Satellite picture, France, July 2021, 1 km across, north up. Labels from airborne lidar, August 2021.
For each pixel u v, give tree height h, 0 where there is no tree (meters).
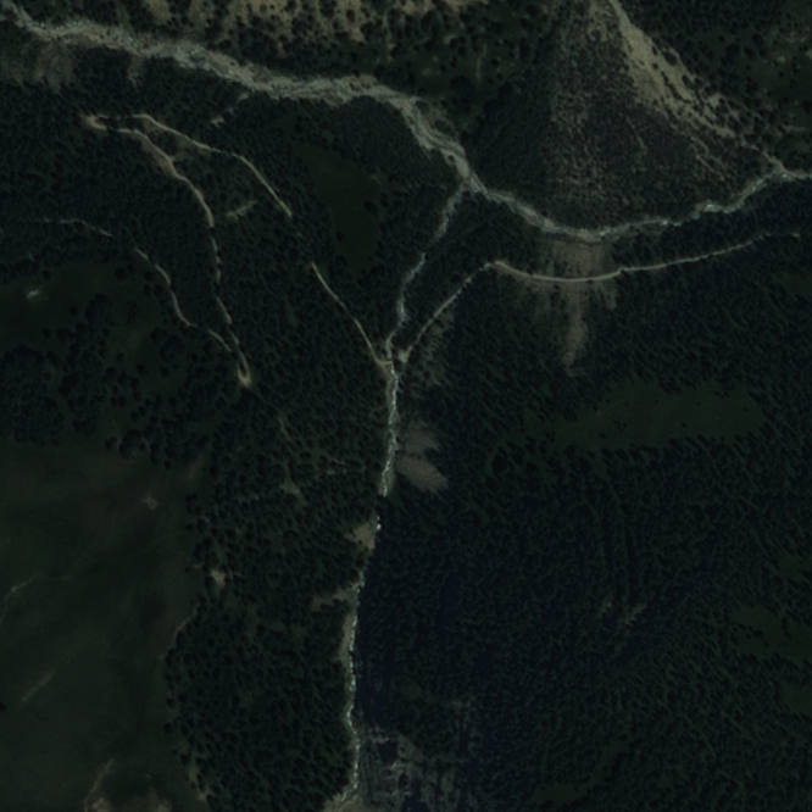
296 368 26
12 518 0
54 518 0
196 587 0
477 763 8
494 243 19
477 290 19
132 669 0
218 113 9
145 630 0
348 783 27
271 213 13
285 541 19
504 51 0
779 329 28
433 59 0
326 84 0
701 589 15
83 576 0
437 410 7
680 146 6
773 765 22
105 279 0
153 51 0
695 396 0
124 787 0
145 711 0
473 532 19
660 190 13
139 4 11
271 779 28
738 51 24
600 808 11
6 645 0
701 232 16
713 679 21
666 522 25
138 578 0
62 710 0
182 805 0
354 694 0
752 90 17
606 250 0
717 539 23
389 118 16
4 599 0
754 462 26
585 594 21
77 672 0
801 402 25
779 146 11
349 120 10
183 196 16
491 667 11
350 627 0
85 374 20
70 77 0
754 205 12
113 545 0
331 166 0
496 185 7
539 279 0
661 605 11
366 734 0
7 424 23
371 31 19
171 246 9
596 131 9
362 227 0
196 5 0
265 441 17
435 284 18
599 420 0
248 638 17
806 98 0
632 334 11
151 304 0
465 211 11
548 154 7
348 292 29
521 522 21
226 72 0
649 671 21
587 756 15
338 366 17
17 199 20
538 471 25
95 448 0
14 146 23
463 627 19
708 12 11
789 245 23
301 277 13
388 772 0
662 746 21
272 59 18
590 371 8
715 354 28
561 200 7
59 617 0
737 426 0
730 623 11
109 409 0
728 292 25
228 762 10
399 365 15
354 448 15
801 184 14
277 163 26
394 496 0
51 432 20
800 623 27
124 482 0
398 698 7
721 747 19
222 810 18
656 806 17
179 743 0
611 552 20
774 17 14
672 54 11
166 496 0
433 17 18
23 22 0
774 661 0
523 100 22
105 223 24
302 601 18
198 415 21
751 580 20
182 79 9
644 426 0
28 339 0
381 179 0
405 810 0
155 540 0
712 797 21
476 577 15
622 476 22
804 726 25
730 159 10
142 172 20
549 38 13
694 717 22
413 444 0
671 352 26
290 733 28
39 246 20
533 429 0
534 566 27
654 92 0
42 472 0
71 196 21
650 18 10
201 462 0
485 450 28
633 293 17
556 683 17
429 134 0
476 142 21
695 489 24
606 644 13
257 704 9
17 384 24
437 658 13
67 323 0
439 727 8
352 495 8
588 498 10
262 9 0
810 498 21
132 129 11
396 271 15
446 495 15
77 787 0
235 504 24
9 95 23
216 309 15
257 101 13
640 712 11
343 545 20
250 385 0
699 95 12
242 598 7
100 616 0
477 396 14
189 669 6
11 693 0
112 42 0
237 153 7
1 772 0
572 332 0
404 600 21
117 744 0
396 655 22
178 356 20
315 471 16
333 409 21
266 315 23
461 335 19
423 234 13
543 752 11
